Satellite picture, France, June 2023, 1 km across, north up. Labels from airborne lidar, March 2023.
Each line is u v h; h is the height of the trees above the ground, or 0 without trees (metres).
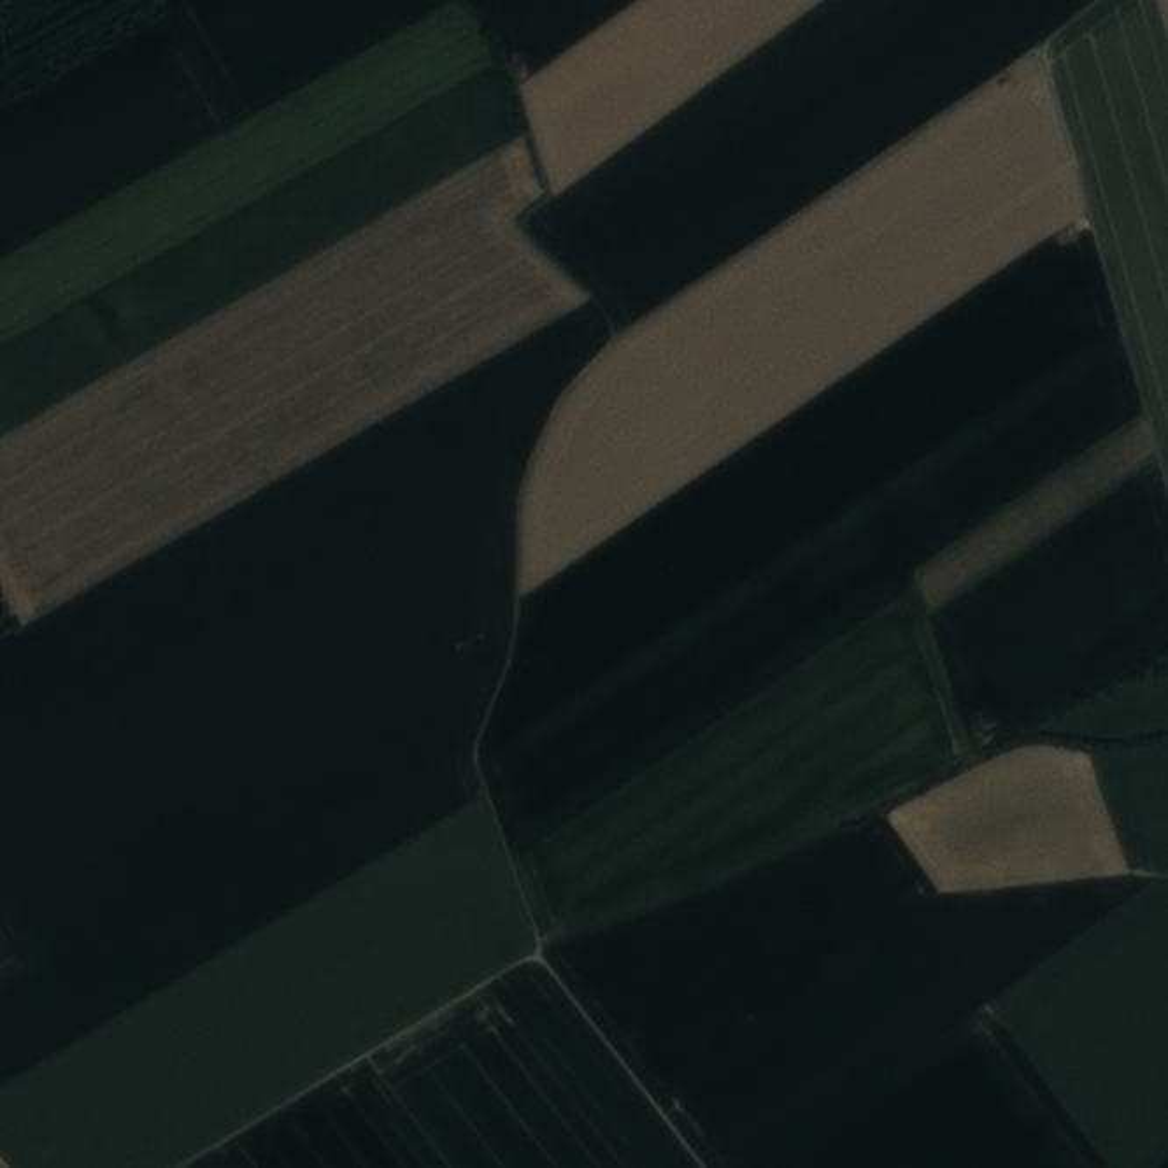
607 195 0
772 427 0
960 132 0
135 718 0
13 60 11
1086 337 0
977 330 0
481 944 0
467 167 0
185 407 0
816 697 0
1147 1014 0
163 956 0
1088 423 0
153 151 0
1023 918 0
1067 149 0
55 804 0
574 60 0
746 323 0
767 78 0
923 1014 0
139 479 0
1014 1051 0
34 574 0
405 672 0
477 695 0
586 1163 0
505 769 0
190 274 0
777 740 0
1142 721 0
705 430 0
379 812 0
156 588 0
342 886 0
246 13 0
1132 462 0
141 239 0
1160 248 0
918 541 0
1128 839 0
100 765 0
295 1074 0
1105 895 0
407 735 0
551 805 0
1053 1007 0
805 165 0
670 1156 0
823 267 0
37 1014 0
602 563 0
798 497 0
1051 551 0
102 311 0
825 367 0
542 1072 0
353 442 0
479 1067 0
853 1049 0
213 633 0
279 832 0
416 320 0
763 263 0
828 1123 0
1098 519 0
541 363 0
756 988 0
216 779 0
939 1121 0
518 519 0
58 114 0
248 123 0
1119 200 0
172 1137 0
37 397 0
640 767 0
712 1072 0
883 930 0
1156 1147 0
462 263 0
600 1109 0
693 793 0
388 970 0
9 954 0
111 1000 0
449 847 0
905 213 0
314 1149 0
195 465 0
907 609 0
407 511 0
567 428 0
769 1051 0
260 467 0
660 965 0
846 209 0
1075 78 0
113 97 0
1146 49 0
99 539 0
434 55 0
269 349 0
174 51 0
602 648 0
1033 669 0
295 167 0
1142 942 0
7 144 0
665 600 0
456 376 0
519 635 0
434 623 0
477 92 0
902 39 0
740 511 0
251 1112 0
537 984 0
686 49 0
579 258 0
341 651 0
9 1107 0
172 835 0
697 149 0
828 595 0
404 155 0
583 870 0
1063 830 0
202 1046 0
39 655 0
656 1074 0
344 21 0
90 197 0
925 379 0
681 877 0
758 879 0
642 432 0
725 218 0
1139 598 0
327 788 0
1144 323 0
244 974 0
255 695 0
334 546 0
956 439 0
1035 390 0
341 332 0
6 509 0
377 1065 0
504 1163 0
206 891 0
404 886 0
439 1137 0
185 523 0
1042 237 0
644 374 0
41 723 0
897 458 0
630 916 0
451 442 0
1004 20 0
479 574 0
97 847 0
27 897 0
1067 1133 0
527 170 0
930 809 0
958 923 0
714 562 0
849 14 0
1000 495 0
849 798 0
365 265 0
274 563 0
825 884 0
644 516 0
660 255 0
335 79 0
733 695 0
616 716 0
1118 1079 0
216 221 0
